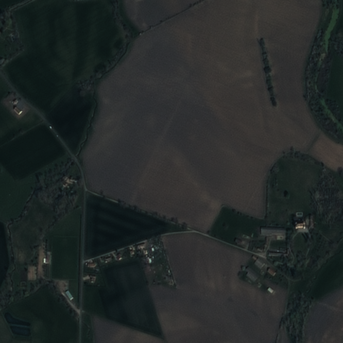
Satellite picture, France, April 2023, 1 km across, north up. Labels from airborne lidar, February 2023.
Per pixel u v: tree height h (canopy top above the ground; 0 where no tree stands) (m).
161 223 0
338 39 9
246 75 0
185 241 0
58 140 0
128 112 0
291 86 0
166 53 0
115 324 0
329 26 0
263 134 0
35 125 0
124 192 0
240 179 0
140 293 0
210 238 0
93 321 0
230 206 0
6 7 7
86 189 0
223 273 0
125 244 0
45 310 0
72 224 0
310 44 0
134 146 0
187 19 0
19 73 0
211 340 0
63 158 0
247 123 0
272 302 0
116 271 0
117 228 0
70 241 0
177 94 0
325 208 7
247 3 0
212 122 0
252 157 0
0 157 0
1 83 0
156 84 0
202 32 0
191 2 0
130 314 0
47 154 0
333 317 0
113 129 0
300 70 0
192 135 0
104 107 0
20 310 0
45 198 30
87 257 0
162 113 0
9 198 0
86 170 0
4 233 0
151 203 0
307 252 0
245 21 0
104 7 0
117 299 0
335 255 0
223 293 0
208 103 0
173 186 0
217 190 0
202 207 0
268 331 0
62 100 0
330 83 0
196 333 0
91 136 0
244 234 0
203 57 0
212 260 0
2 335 0
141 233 0
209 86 0
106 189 0
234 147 0
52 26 0
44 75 0
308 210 0
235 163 0
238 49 0
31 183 0
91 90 8
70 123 0
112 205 0
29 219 0
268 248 0
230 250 0
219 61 0
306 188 0
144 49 0
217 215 0
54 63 0
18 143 0
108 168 0
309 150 0
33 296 0
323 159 0
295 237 0
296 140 0
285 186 0
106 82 0
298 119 0
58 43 0
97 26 0
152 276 0
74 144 0
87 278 0
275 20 0
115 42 0
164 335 0
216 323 0
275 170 9
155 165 0
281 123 0
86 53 0
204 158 0
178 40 0
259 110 0
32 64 0
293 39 0
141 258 9
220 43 0
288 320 24
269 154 0
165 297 0
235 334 0
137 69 0
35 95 0
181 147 0
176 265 0
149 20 0
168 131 0
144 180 0
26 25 0
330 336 0
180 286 0
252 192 0
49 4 0
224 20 0
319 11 0
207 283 0
